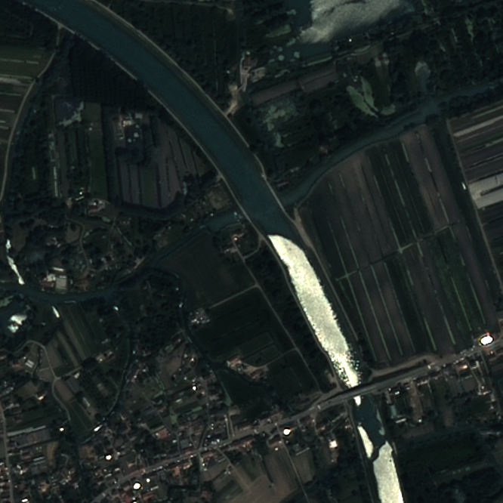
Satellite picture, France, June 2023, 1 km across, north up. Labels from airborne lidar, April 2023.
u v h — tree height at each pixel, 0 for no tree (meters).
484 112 0
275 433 0
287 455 0
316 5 0
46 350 0
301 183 0
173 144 0
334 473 15
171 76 0
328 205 0
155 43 0
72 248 16
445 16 7
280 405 14
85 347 0
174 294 10
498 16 15
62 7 0
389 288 0
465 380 0
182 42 6
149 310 13
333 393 0
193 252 0
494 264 0
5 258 0
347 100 7
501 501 0
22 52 0
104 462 0
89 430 0
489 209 0
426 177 0
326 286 0
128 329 0
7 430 0
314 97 0
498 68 8
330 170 0
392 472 0
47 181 14
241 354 0
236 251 0
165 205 0
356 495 10
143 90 23
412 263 0
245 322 0
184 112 0
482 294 0
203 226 0
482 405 0
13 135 0
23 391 0
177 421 0
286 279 0
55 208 18
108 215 0
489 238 0
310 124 7
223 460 0
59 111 0
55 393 0
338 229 0
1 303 0
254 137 0
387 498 0
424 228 0
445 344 0
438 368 0
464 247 0
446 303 0
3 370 0
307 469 0
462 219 0
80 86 25
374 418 0
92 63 29
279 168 15
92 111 0
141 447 8
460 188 0
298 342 7
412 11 0
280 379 0
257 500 0
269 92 0
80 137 0
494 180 0
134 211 17
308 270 0
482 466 0
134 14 9
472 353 0
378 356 0
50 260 18
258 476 0
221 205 0
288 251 0
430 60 5
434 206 0
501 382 0
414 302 0
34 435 0
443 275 0
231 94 0
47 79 17
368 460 0
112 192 16
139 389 0
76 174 6
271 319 0
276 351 0
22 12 25
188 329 0
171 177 0
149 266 0
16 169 14
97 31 0
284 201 0
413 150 0
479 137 0
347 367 0
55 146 0
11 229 13
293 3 0
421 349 0
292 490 0
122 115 8
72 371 0
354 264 0
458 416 7
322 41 0
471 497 15
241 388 0
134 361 0
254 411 0
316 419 0
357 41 0
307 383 0
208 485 8
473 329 0
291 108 0
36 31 7
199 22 7
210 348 0
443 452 0
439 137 0
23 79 0
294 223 0
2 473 0
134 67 0
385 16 0
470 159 0
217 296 0
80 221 0
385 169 0
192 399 0
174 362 0
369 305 0
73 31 0
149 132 17
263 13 15
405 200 0
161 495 0
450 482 0
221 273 0
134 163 14
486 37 7
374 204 0
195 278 0
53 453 0
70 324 0
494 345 0
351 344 0
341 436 8
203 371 8
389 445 0
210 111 0
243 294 0
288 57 0
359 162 0
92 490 9
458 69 6
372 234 0
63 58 14
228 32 0
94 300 11
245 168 0
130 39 0
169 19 0
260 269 16
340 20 0
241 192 0
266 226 0
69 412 0
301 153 0
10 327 0
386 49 12
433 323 0
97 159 0
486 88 0
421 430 0
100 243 0
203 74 6
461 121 0
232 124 0
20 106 0
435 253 0
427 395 0
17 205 13
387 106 0
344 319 0
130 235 9
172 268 0
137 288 0
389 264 0
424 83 0
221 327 0
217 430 0
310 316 0
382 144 0
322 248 0
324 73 0
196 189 18
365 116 7
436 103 0
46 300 0
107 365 0
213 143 0
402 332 0
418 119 0
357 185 0
